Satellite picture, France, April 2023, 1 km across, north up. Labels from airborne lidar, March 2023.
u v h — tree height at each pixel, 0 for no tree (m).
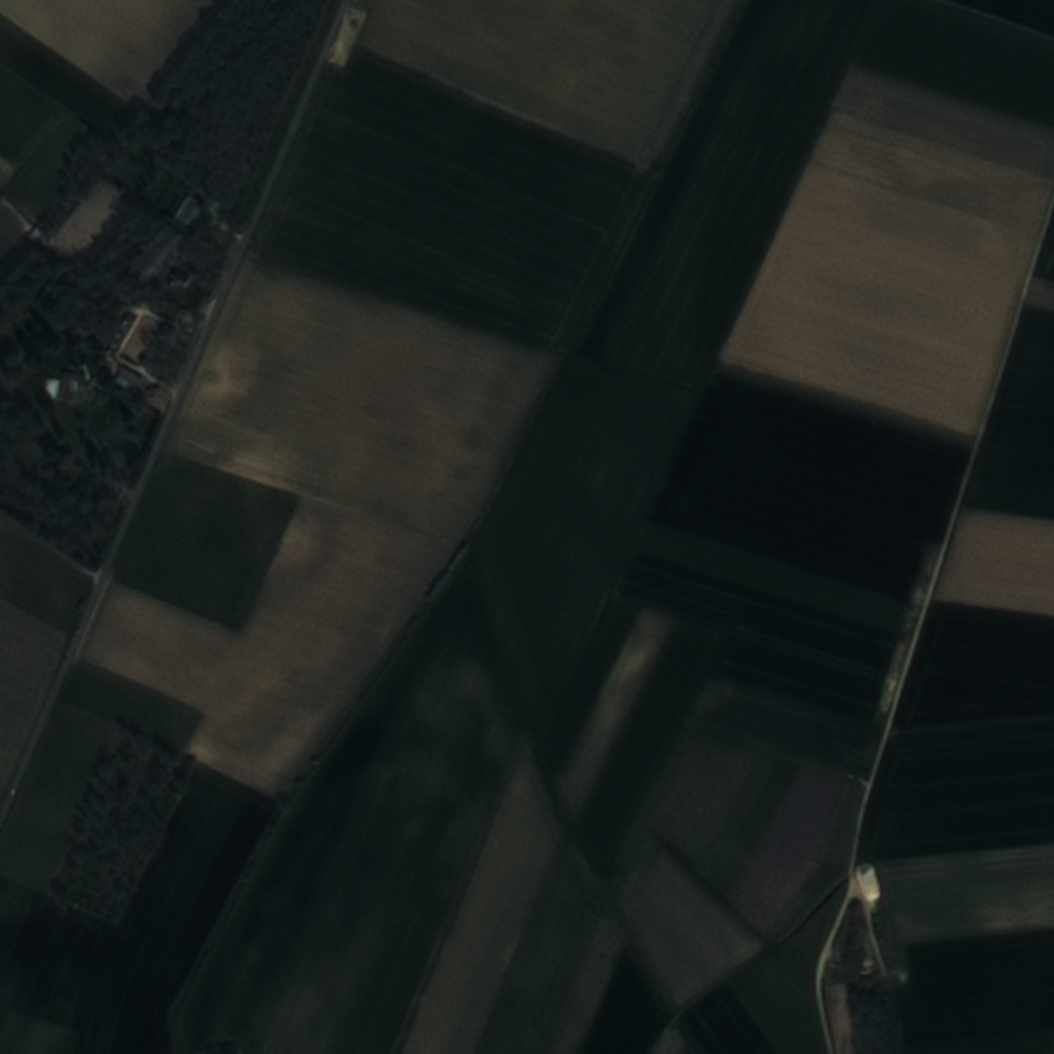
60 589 0
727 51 0
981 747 0
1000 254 0
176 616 0
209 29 17
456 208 0
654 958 0
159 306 13
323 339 0
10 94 0
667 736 0
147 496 0
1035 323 0
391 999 0
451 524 0
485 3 0
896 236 0
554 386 0
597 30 0
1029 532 0
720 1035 0
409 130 0
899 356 0
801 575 0
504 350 0
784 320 0
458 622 0
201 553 0
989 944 0
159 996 0
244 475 0
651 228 0
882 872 0
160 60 0
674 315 0
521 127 0
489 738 0
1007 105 0
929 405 0
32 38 0
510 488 0
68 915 0
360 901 0
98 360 10
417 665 0
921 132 0
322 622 0
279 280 0
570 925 0
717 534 0
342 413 0
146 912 0
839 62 0
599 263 0
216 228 17
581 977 0
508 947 0
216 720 0
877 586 0
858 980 0
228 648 0
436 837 0
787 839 0
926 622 0
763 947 0
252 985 0
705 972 0
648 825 0
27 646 0
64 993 0
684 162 0
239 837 0
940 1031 0
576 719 0
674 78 0
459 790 0
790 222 0
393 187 0
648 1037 0
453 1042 0
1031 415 0
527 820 0
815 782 0
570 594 0
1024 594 0
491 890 0
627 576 0
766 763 0
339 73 0
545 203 0
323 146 0
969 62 0
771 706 0
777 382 0
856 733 0
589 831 0
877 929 0
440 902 0
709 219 0
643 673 0
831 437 0
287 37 20
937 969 0
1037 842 0
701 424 0
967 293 0
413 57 0
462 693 0
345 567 0
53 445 22
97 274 20
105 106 0
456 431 0
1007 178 0
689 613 0
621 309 0
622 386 0
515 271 0
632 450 0
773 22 0
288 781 0
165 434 0
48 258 17
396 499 0
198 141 20
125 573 0
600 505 0
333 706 0
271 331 0
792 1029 0
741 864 0
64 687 0
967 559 0
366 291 0
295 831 0
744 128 0
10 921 0
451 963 0
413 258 0
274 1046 0
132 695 0
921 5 0
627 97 0
